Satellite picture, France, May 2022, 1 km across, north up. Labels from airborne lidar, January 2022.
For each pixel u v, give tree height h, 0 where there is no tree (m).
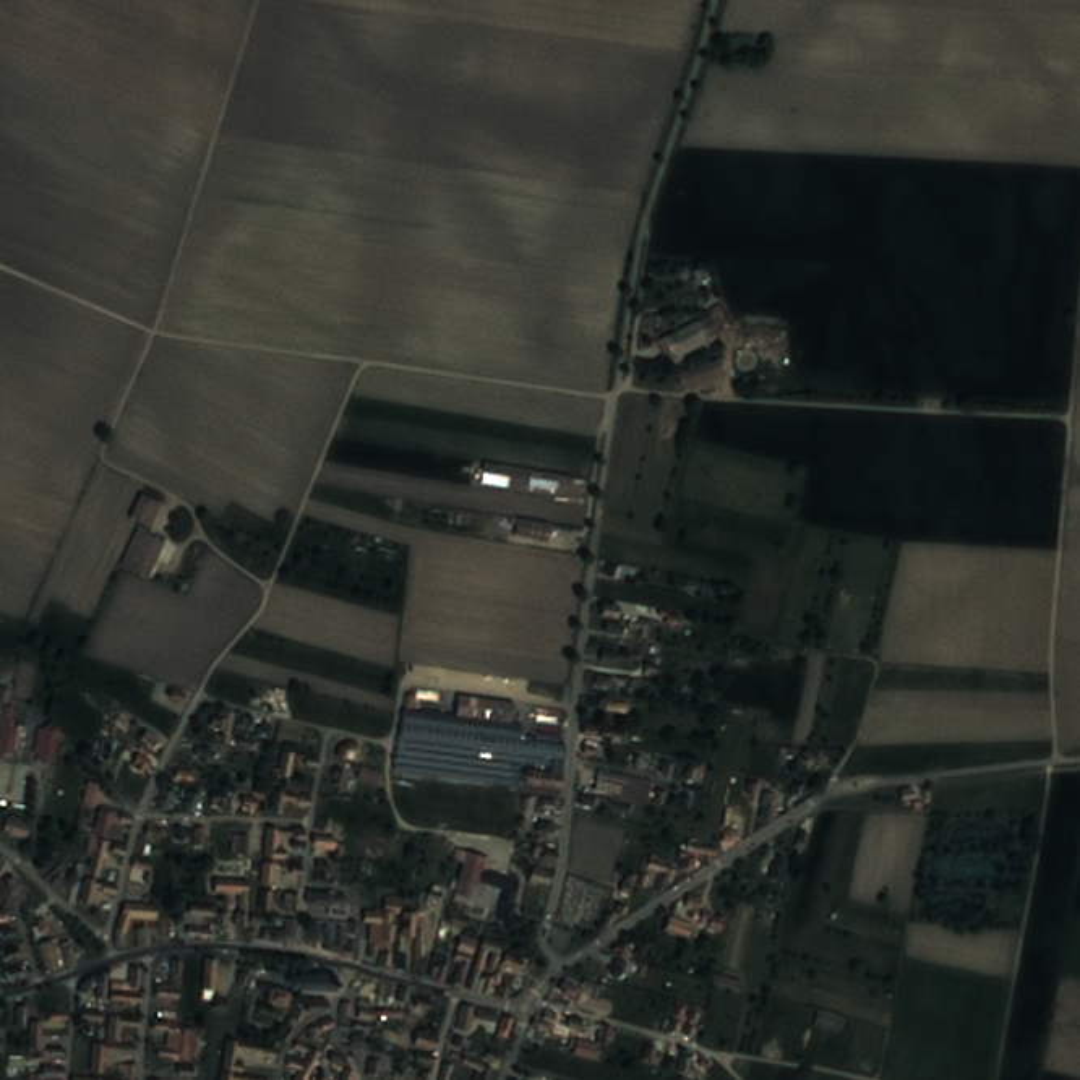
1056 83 0
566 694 0
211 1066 0
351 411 0
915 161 0
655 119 0
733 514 0
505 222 0
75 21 0
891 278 0
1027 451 0
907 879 0
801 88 0
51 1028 0
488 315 0
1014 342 0
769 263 0
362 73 0
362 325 0
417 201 0
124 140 0
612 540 0
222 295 0
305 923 17
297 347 0
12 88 0
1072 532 0
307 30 0
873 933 0
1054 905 0
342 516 0
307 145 0
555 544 0
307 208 0
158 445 0
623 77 0
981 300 0
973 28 0
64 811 0
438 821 0
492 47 0
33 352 0
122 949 0
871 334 0
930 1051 0
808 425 0
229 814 0
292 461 0
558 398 0
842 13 0
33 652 7
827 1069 0
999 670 0
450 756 0
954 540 0
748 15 0
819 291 0
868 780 0
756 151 0
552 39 0
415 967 0
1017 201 0
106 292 0
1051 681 0
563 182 0
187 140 0
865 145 0
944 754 0
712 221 0
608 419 0
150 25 0
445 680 0
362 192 0
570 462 0
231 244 0
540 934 0
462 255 0
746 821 0
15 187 0
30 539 0
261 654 0
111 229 0
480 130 0
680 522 0
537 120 0
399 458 0
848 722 0
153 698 0
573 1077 0
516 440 0
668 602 0
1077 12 0
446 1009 0
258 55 0
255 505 0
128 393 0
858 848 0
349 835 0
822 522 0
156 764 0
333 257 0
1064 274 0
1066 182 0
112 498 0
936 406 0
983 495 0
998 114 0
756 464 0
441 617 0
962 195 0
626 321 0
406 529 0
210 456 0
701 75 0
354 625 0
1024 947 0
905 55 0
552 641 0
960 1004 0
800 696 0
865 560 0
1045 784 0
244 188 0
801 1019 0
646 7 0
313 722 0
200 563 0
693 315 9
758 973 0
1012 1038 0
